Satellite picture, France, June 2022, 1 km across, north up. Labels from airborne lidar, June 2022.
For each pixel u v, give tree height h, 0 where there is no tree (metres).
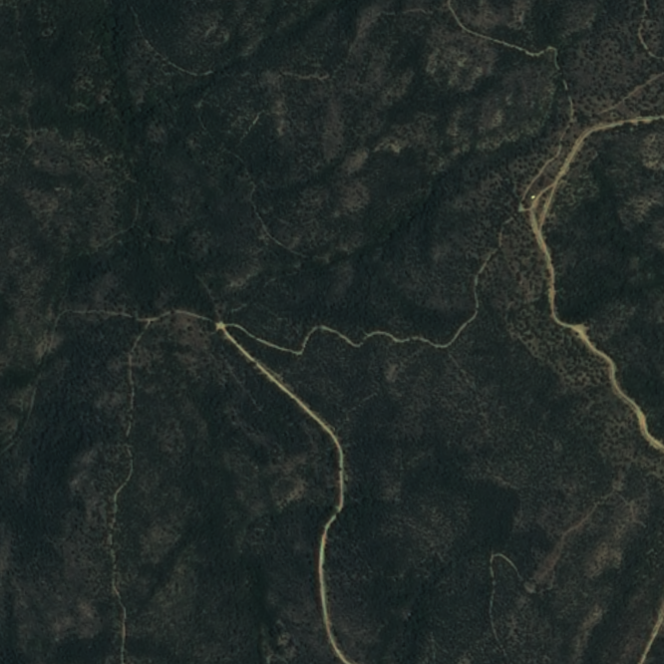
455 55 0
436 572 12
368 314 10
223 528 6
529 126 0
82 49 10
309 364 5
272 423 8
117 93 7
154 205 7
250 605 9
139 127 9
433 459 8
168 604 0
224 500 8
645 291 10
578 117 9
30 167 6
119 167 10
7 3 9
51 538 6
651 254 7
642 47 6
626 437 6
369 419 6
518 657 6
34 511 6
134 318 7
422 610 9
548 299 9
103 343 8
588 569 0
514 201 6
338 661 8
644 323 7
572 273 9
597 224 8
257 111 8
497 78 5
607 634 8
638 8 7
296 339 6
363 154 0
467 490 7
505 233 6
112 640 6
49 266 8
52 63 7
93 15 13
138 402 6
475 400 6
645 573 10
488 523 6
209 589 11
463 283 6
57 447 9
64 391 6
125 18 11
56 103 9
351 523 9
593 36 5
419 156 6
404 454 5
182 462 9
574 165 7
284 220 5
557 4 9
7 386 11
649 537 10
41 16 10
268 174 7
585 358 6
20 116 7
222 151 8
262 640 9
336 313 7
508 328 6
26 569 6
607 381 8
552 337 6
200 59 7
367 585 6
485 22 0
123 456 5
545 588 5
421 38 6
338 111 0
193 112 7
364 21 0
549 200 0
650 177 7
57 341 0
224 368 6
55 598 0
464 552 7
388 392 6
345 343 6
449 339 6
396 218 6
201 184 6
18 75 6
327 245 6
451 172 9
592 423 8
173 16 6
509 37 6
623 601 7
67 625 0
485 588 6
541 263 7
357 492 9
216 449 8
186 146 9
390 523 6
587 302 9
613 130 6
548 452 6
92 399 6
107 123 10
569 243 7
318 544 7
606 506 7
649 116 11
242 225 7
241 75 6
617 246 9
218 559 9
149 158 7
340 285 0
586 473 6
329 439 9
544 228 8
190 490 9
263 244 8
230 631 8
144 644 6
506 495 8
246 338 6
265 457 12
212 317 6
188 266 7
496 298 6
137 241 6
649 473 6
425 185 9
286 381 6
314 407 6
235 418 8
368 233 10
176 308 6
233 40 7
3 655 9
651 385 11
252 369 6
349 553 6
